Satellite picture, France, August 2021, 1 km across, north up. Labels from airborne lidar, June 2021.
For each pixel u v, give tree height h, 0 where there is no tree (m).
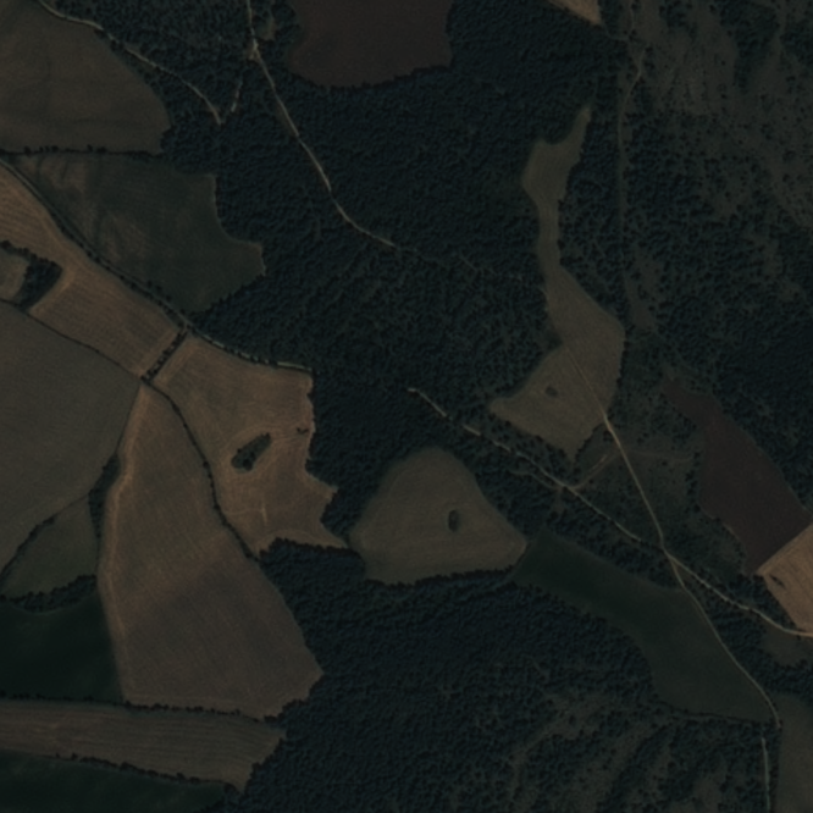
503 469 10
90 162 0
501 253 15
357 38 0
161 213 0
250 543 0
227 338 13
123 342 0
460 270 11
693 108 0
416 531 0
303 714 10
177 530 0
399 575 0
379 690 11
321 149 12
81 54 0
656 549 9
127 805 0
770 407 11
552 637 8
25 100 0
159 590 0
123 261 0
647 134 8
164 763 0
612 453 0
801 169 0
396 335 13
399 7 0
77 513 0
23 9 0
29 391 0
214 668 0
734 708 0
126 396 0
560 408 0
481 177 13
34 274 13
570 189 10
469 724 7
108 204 0
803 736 0
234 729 0
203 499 0
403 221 9
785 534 0
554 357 0
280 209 8
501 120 13
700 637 0
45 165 0
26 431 0
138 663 0
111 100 0
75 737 0
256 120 12
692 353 10
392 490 0
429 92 17
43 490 0
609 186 10
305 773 12
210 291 0
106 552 0
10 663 0
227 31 10
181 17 11
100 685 0
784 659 0
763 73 0
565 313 0
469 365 15
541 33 15
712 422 0
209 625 0
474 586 8
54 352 0
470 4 15
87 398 0
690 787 7
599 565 0
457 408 10
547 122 11
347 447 16
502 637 11
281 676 0
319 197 10
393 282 12
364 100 15
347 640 13
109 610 0
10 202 0
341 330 15
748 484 0
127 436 0
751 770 7
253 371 0
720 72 0
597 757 9
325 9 0
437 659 15
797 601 0
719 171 8
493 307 13
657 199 10
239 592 0
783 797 0
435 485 0
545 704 8
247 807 14
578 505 9
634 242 7
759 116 0
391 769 8
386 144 11
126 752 0
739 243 7
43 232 0
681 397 0
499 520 0
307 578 10
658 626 0
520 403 0
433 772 10
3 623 0
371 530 0
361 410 24
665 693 0
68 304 0
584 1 0
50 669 0
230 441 0
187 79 14
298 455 0
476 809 8
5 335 0
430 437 15
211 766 0
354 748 13
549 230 0
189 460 0
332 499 0
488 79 13
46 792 0
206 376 0
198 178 0
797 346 8
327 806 13
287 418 0
